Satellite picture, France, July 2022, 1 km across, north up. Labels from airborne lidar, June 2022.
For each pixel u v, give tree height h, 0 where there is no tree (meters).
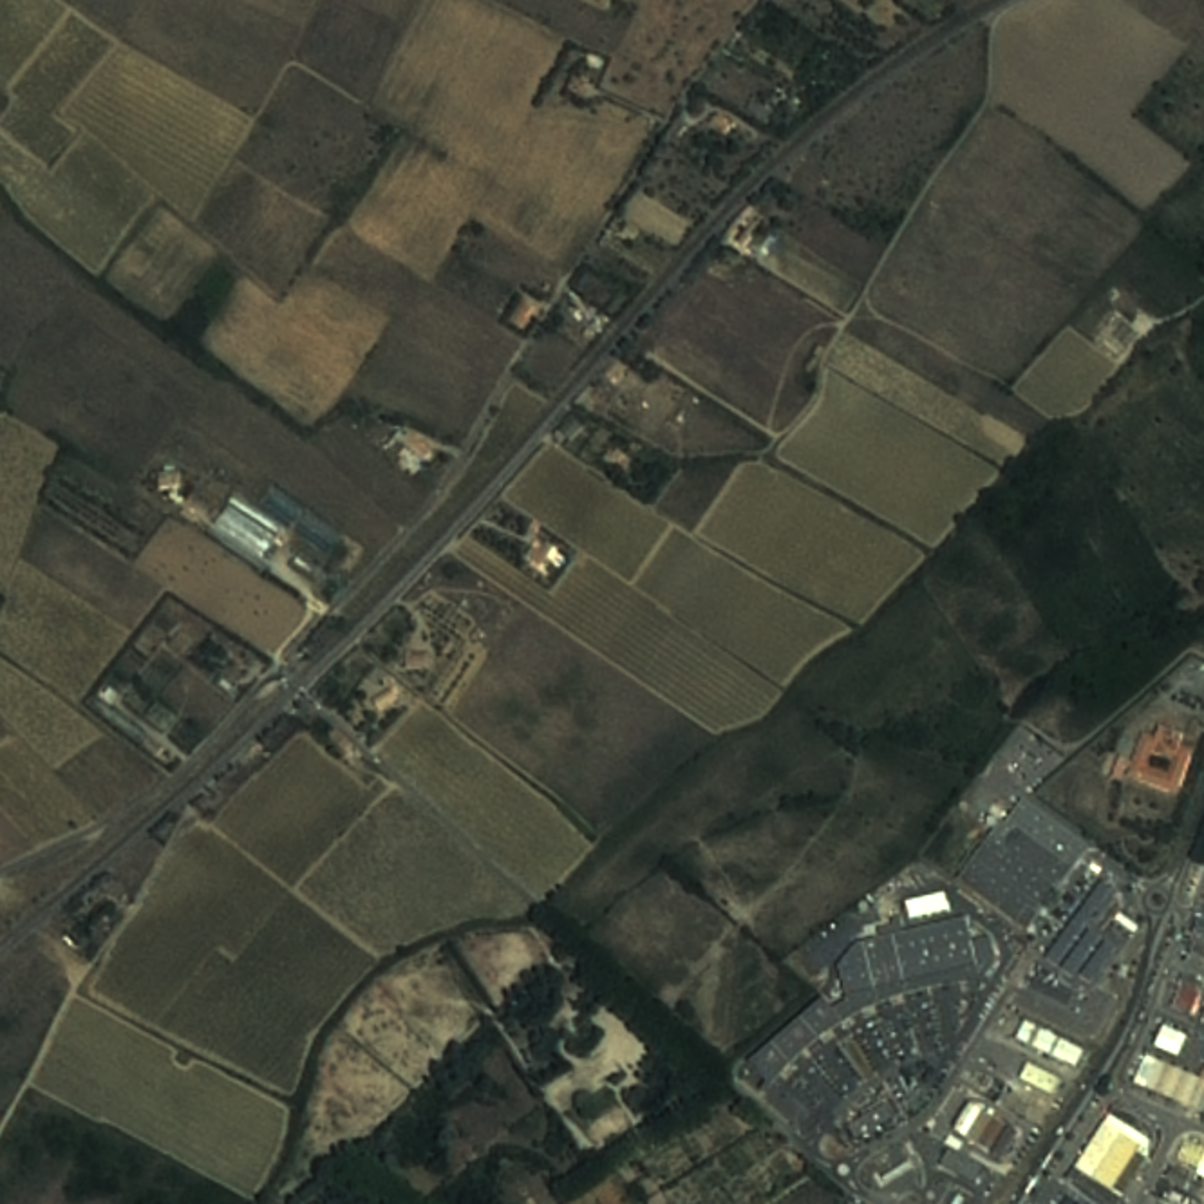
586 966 19
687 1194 0
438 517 0
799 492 0
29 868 0
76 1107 0
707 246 6
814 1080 0
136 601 0
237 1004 0
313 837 0
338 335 0
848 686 0
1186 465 0
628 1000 24
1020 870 0
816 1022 0
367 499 0
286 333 0
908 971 0
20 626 0
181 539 0
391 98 0
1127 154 0
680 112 6
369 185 0
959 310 0
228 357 0
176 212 0
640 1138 18
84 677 0
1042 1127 0
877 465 0
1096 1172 0
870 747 9
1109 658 0
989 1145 0
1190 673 0
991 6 0
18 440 0
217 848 0
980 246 0
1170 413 0
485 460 0
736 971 0
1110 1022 0
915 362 0
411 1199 28
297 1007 0
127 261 0
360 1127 0
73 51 0
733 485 0
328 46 0
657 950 0
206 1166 0
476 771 0
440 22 0
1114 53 0
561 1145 9
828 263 0
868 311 0
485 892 0
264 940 0
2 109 0
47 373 0
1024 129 0
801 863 0
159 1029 0
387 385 0
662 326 0
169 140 0
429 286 0
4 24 0
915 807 0
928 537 0
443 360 0
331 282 0
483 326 0
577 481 0
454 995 0
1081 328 0
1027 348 0
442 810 0
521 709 0
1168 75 0
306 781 0
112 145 0
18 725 0
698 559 0
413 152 0
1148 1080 0
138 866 0
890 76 0
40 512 0
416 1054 0
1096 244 0
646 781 0
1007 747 0
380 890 0
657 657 0
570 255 0
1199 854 10
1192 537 0
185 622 0
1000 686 0
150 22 0
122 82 0
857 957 0
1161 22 0
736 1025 0
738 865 0
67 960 0
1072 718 0
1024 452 7
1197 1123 0
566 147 0
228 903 0
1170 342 0
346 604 0
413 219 0
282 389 0
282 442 0
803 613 0
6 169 0
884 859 0
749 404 0
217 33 0
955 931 0
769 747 0
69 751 0
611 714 0
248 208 0
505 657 0
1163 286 0
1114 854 6
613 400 0
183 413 0
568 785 0
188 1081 0
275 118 0
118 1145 0
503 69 0
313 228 0
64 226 0
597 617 0
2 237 0
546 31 0
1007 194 0
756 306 0
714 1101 23
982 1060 0
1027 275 0
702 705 0
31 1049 0
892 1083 0
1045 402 0
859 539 0
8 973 0
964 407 0
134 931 0
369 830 0
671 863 7
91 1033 0
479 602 0
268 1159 0
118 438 0
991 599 0
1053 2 0
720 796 0
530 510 0
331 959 0
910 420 0
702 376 0
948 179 0
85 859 0
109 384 0
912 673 0
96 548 0
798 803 8
